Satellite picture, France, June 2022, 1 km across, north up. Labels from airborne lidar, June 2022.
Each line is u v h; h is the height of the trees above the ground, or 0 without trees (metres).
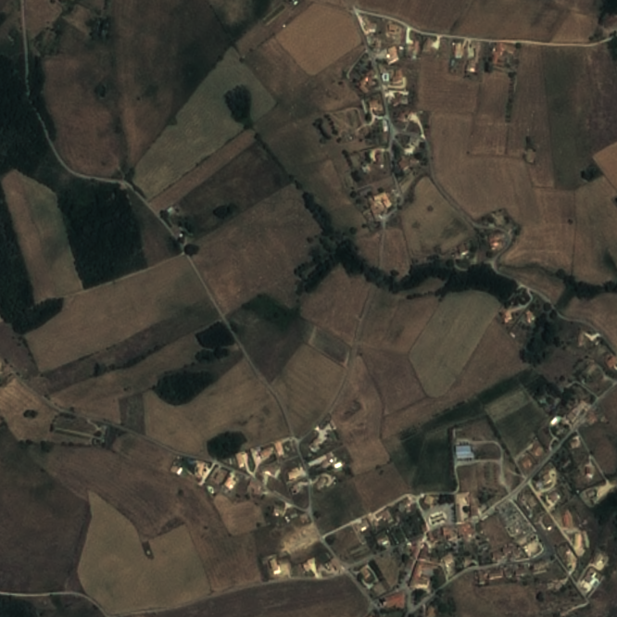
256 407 0
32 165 9
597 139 0
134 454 0
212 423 0
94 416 0
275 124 0
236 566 0
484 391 0
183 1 0
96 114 0
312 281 12
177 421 0
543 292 0
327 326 0
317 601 0
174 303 0
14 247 9
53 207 0
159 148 0
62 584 0
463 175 0
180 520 0
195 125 0
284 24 0
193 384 7
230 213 14
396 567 0
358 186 0
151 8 0
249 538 0
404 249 0
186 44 0
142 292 0
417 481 0
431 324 0
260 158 0
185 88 0
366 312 0
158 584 0
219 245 0
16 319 10
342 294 0
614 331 0
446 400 0
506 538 0
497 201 0
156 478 0
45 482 0
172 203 0
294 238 0
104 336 0
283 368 0
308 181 0
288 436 0
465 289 8
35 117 11
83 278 8
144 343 0
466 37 0
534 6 0
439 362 0
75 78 0
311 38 0
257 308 0
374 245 0
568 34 0
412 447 0
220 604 0
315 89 0
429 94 0
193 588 0
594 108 0
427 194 0
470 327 0
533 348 26
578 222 0
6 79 9
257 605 0
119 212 11
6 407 0
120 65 0
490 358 0
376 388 0
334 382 0
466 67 0
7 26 0
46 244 0
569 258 0
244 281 0
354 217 0
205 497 0
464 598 0
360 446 0
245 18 0
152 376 0
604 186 0
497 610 0
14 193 0
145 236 0
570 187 0
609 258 0
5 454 0
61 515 0
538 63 0
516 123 0
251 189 0
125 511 0
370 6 0
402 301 0
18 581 0
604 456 0
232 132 0
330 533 0
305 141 0
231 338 23
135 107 0
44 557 0
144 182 0
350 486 0
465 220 0
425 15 0
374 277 24
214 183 0
